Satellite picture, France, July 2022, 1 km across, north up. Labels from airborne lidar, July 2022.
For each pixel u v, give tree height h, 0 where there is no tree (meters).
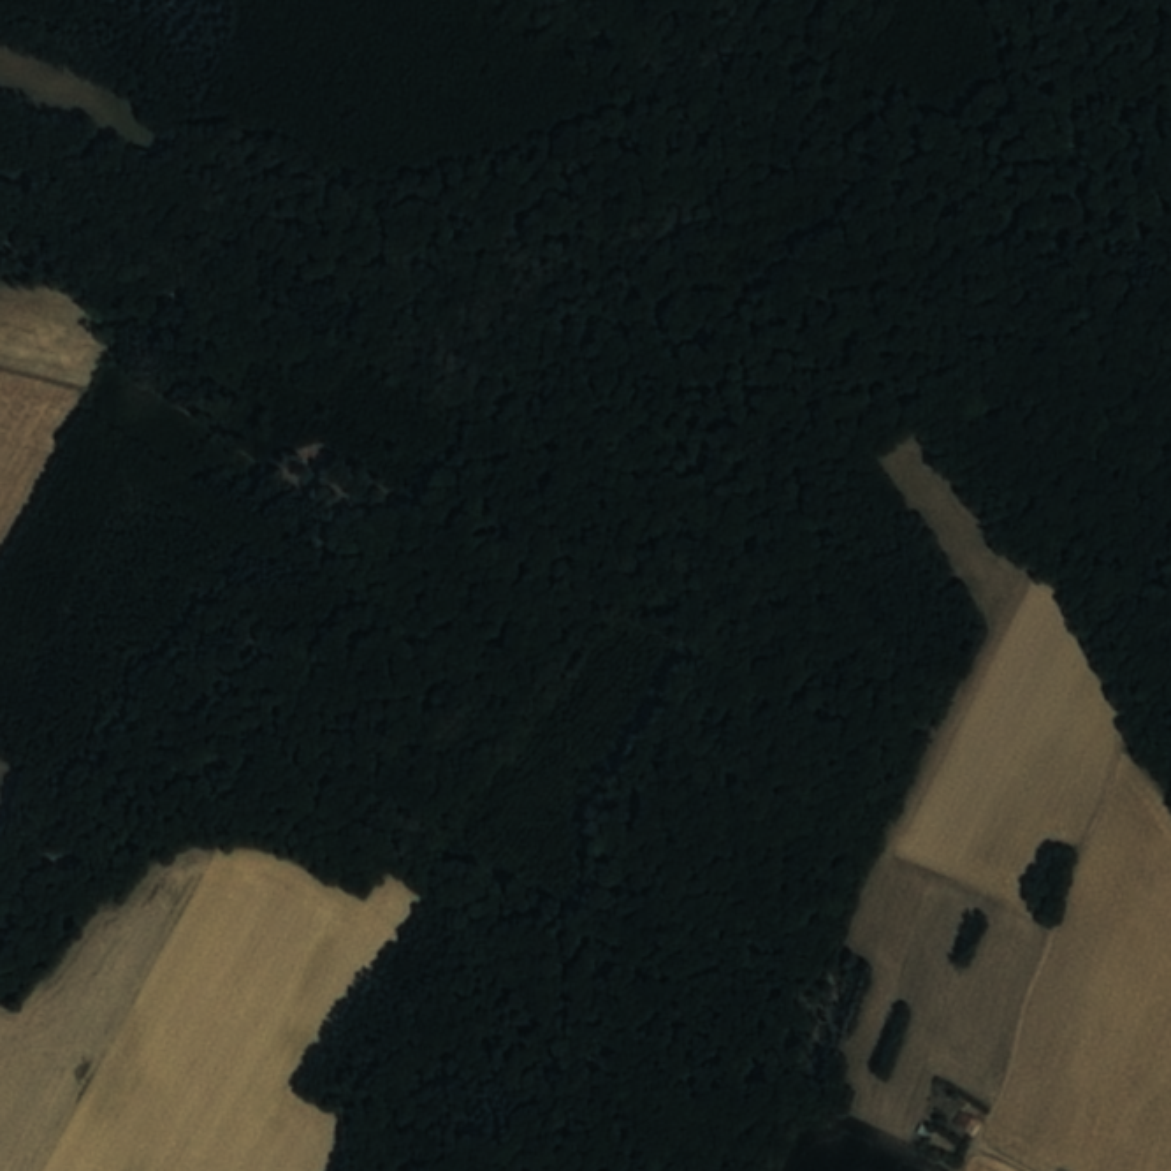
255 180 25
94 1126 0
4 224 29
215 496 15
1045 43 27
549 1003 29
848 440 28
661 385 30
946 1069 0
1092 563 26
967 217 32
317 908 0
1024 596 0
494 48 16
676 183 29
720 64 22
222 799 27
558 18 26
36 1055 0
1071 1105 0
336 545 28
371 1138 28
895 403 31
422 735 31
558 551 29
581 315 22
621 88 26
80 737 17
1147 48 32
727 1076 29
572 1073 30
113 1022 0
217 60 28
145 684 32
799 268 31
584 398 28
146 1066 0
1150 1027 0
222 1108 0
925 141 30
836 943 26
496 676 30
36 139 28
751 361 31
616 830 34
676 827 28
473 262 28
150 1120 0
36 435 0
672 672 24
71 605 16
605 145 31
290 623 16
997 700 0
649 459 30
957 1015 0
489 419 22
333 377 28
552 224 26
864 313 30
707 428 17
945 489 0
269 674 32
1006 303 32
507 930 32
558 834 6
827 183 28
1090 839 0
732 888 25
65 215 29
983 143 17
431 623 33
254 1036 0
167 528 18
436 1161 26
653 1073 31
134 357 24
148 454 16
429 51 16
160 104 29
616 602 28
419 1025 28
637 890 26
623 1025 31
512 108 16
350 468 22
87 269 32
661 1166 28
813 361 29
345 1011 20
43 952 25
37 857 26
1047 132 32
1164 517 29
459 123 18
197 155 26
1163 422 28
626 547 30
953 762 0
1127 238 25
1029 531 29
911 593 30
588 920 31
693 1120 29
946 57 11
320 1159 0
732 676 31
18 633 15
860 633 34
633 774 28
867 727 27
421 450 12
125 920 0
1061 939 0
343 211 25
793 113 28
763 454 22
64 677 21
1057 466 28
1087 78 33
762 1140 27
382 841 32
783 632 29
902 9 12
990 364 32
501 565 29
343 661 29
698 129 24
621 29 30
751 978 27
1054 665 0
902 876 0
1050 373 29
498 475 25
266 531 17
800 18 30
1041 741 0
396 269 28
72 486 16
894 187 26
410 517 32
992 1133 0
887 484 26
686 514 24
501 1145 29
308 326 25
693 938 28
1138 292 27
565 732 6
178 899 0
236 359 31
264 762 34
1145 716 23
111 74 29
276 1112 0
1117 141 30
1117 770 0
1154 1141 0
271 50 18
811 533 32
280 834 27
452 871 23
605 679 7
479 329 24
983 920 13
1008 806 0
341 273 34
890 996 0
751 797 28
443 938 19
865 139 26
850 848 28
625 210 29
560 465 29
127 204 30
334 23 18
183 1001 0
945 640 26
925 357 26
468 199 23
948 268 26
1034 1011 0
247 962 0
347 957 0
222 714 35
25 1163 0
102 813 31
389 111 18
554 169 27
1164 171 31
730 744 26
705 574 27
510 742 29
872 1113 0
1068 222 30
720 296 31
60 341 0
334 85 18
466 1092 31
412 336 26
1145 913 0
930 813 0
